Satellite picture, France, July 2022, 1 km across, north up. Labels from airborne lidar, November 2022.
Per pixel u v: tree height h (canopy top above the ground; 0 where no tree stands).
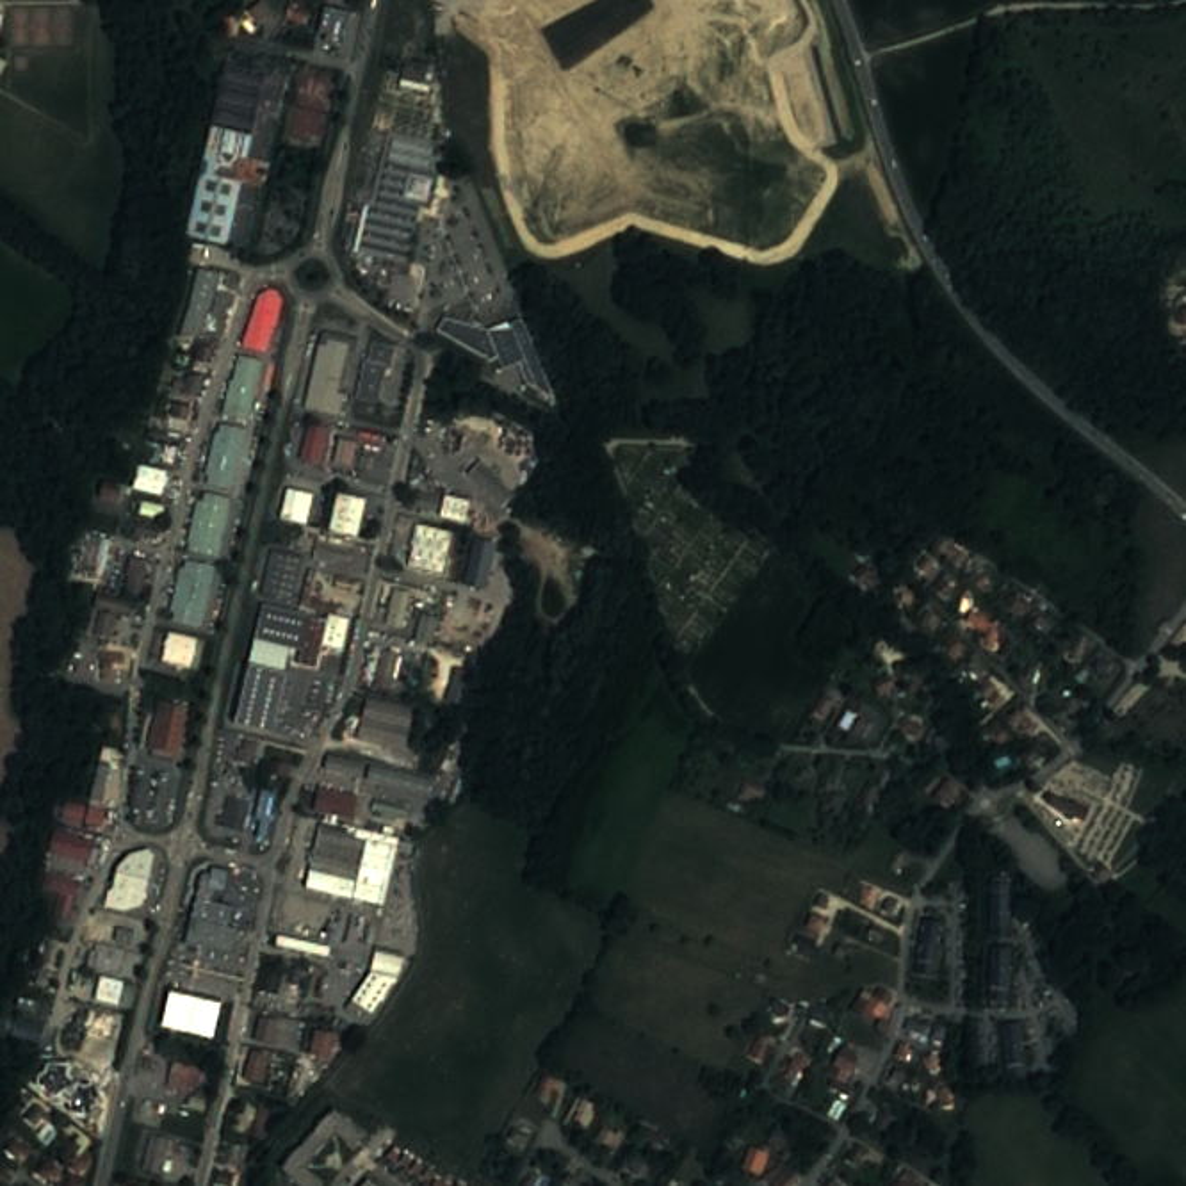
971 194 6
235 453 0
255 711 0
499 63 0
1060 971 28
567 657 21
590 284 0
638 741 0
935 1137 12
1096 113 0
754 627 0
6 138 0
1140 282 20
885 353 18
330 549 0
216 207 0
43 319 0
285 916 0
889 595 7
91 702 21
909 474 22
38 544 19
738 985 0
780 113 0
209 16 13
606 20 0
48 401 21
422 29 0
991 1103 0
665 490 0
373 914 0
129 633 0
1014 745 6
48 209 0
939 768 20
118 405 24
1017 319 24
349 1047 15
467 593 0
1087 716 16
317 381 0
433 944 0
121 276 22
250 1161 7
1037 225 6
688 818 0
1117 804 0
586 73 0
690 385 0
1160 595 0
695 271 17
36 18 0
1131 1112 0
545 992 0
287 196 9
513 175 0
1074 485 13
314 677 0
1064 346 19
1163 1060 0
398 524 0
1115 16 10
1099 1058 0
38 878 25
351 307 0
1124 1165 26
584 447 19
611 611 17
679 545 0
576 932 0
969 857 20
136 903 0
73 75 0
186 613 0
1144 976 9
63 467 29
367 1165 0
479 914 0
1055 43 0
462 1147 0
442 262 0
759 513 24
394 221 0
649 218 0
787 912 0
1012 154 5
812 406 19
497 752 20
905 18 0
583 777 12
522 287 17
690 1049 0
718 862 0
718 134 0
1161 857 21
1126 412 24
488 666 20
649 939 0
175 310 13
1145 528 0
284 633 0
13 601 0
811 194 0
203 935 0
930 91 0
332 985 0
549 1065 16
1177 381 24
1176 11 10
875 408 22
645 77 0
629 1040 0
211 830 0
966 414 20
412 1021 0
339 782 0
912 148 0
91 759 14
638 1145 9
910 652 22
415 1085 0
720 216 0
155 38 12
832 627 12
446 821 17
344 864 0
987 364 16
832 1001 7
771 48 0
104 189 0
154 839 0
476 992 0
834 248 0
